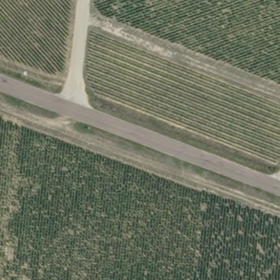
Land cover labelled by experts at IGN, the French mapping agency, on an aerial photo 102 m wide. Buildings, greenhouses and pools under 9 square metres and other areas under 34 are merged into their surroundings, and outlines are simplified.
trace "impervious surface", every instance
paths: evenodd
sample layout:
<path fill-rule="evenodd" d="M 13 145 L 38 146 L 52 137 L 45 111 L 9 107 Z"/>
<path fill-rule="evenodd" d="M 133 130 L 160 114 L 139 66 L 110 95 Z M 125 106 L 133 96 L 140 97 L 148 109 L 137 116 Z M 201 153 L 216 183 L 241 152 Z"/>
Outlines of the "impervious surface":
<path fill-rule="evenodd" d="M 159 132 L 130 124 L 91 106 L 86 108 L 65 100 L 60 93 L 39 89 L 0 73 L 0 92 L 52 110 L 58 117 L 73 118 L 77 122 L 112 132 L 145 147 L 175 156 L 179 160 L 280 196 L 280 171 L 265 174 L 252 170 L 222 156 L 163 136 Z"/>

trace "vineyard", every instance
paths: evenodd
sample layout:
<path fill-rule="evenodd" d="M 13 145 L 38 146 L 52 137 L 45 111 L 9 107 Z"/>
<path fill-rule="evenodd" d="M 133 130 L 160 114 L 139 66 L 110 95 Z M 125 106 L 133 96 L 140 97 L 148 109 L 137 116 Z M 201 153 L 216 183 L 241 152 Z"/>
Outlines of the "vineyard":
<path fill-rule="evenodd" d="M 176 65 L 162 58 L 157 51 L 147 50 L 137 43 L 105 32 L 100 27 L 90 26 L 87 27 L 86 35 L 84 81 L 90 77 L 97 80 L 93 85 L 97 93 L 100 93 L 97 97 L 102 100 L 165 122 L 190 133 L 192 137 L 220 143 L 246 156 L 277 166 L 280 170 L 280 105 Z"/>
<path fill-rule="evenodd" d="M 12 121 L 5 121 L 0 117 L 0 280 L 280 280 L 280 218 L 249 208 L 243 200 L 225 199 L 207 191 L 176 184 L 139 168 L 46 136 L 44 133 L 17 126 Z"/>
<path fill-rule="evenodd" d="M 71 0 L 0 0 L 0 55 L 48 73 L 65 70 Z"/>
<path fill-rule="evenodd" d="M 91 0 L 91 1 L 101 14 L 107 17 L 115 16 L 122 24 L 130 23 L 131 26 L 141 28 L 151 35 L 182 44 L 200 54 L 229 62 L 232 66 L 280 84 L 280 0 Z"/>

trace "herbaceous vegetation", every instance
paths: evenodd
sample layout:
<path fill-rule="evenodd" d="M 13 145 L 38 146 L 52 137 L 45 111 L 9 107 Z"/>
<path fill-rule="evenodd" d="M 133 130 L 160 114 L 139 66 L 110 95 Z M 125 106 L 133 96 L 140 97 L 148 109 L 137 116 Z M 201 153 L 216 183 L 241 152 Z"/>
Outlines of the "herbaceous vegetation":
<path fill-rule="evenodd" d="M 0 55 L 0 73 L 39 89 L 60 93 L 68 77 L 67 68 L 71 59 L 77 0 L 71 0 L 65 70 L 48 73 Z"/>
<path fill-rule="evenodd" d="M 200 54 L 182 44 L 151 35 L 141 28 L 131 26 L 130 23 L 122 24 L 115 16 L 107 17 L 101 14 L 91 1 L 90 26 L 100 27 L 105 32 L 137 43 L 147 50 L 157 51 L 162 58 L 176 65 L 280 105 L 280 84 L 232 66 L 229 62 Z"/>
<path fill-rule="evenodd" d="M 102 100 L 97 97 L 100 93 L 97 93 L 93 85 L 97 80 L 90 77 L 84 81 L 85 92 L 91 106 L 130 124 L 159 132 L 163 136 L 222 156 L 252 170 L 265 174 L 280 171 L 280 170 L 277 166 L 246 156 L 220 143 L 192 137 L 190 133 L 165 122 Z"/>
<path fill-rule="evenodd" d="M 139 168 L 176 184 L 207 191 L 225 199 L 243 200 L 249 208 L 280 218 L 280 196 L 179 160 L 175 156 L 145 147 L 112 132 L 77 122 L 73 118 L 58 117 L 52 110 L 0 92 L 0 117 L 5 121 L 12 121 L 17 126 L 44 133 L 46 136 Z"/>

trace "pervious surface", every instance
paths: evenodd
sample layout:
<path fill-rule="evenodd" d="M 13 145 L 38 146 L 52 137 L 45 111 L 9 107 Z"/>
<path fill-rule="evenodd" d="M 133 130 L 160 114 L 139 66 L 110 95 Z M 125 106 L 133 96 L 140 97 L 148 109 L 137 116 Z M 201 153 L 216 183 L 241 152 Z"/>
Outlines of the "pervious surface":
<path fill-rule="evenodd" d="M 86 35 L 87 27 L 90 26 L 91 1 L 91 0 L 77 0 L 71 59 L 67 68 L 68 77 L 60 93 L 65 100 L 86 108 L 91 106 L 85 92 L 84 81 Z"/>

